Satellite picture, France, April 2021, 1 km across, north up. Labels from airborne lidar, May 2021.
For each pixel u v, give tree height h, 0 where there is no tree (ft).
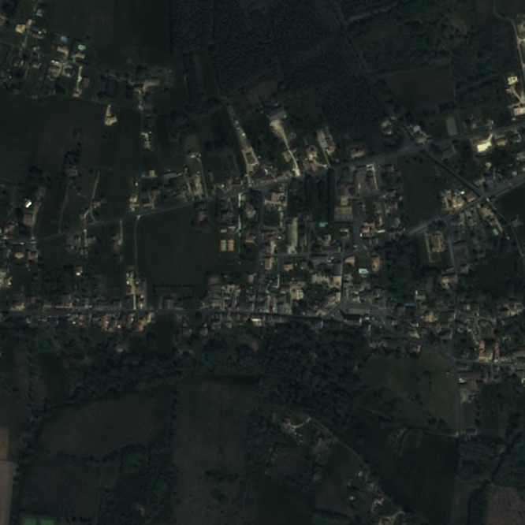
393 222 0
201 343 63
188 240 0
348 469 0
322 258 0
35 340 46
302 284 0
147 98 31
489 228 24
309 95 0
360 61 21
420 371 0
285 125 0
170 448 31
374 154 23
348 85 48
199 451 0
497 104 30
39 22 0
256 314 0
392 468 0
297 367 65
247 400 0
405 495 0
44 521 0
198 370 58
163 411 0
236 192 0
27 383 0
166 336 0
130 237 0
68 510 0
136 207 0
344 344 56
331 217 42
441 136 34
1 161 0
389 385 0
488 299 48
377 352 36
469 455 85
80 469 0
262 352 18
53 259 0
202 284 0
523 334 59
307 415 52
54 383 0
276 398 43
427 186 0
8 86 21
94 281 23
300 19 54
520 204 0
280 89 31
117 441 0
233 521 0
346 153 40
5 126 0
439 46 31
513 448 38
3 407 0
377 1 54
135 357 67
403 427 0
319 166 0
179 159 0
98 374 60
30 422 24
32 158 0
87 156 0
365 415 0
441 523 0
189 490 0
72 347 33
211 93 0
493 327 48
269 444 30
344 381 53
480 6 0
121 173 0
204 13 44
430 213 0
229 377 0
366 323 0
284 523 0
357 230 0
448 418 0
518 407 0
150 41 0
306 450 0
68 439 0
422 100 0
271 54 21
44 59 0
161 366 67
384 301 0
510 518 0
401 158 0
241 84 44
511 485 35
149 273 0
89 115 0
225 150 73
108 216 0
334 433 35
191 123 65
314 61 46
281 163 0
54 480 0
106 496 19
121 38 0
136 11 0
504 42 24
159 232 0
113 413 0
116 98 0
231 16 51
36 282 25
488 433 0
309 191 46
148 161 0
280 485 0
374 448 0
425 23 29
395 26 31
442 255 0
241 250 18
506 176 52
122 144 0
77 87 0
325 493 0
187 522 0
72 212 0
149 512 0
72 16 0
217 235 0
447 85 0
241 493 0
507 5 0
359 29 36
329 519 32
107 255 0
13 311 0
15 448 0
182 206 0
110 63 0
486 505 67
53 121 0
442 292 21
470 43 24
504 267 0
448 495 0
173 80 0
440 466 0
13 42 0
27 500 0
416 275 26
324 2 45
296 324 20
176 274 0
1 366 0
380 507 18
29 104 0
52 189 29
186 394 0
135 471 42
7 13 39
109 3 0
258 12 47
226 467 0
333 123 50
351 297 0
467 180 31
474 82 36
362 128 56
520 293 54
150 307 0
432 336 31
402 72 31
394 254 58
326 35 52
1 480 0
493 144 27
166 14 0
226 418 0
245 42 48
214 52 57
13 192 0
